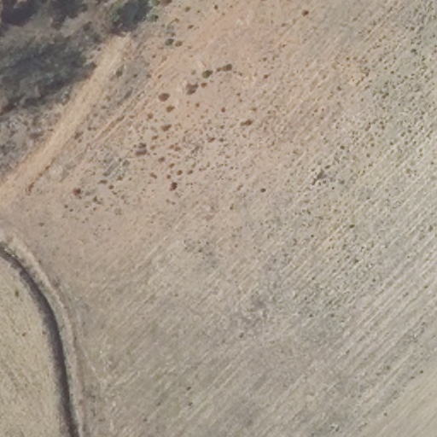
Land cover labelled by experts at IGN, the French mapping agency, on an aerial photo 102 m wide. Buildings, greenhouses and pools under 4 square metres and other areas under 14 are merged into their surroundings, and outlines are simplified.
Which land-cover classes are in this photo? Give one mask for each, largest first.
<instances>
[{"label":"agricultural land","instance_id":"1","mask_svg":"<svg viewBox=\"0 0 437 437\"><path fill-rule=\"evenodd\" d=\"M149 12L145 15V20L138 24L135 31L128 32L130 39L119 58L118 70L109 75L106 104H92L84 118H80L79 113H75L68 106L67 116L60 119L55 131L44 142L38 154L19 164V167L14 172H9L5 181L0 183V242L20 259H24L34 278L43 283L41 288L55 312L67 360L73 417L77 423L79 437H367L364 430L367 423L360 425L357 418L381 415V411L386 410L394 399L398 398L401 391H405V387L411 381L423 376V370L427 369L428 365L432 364L437 369V0H147ZM65 425V420L60 411V389L56 381L50 331L44 326L38 302L20 278L19 270H15L9 261L0 258V437H56L60 434V427Z\"/></svg>","mask_w":437,"mask_h":437},{"label":"coniferous trees","instance_id":"2","mask_svg":"<svg viewBox=\"0 0 437 437\"><path fill-rule=\"evenodd\" d=\"M149 12L147 0H0V90H5V97L9 99L3 106L7 113L50 104L48 96L67 85L84 82L96 70V63L85 61L87 51L101 50L102 43H108L113 36H123L128 32L135 31L138 24L145 20V15Z\"/></svg>","mask_w":437,"mask_h":437},{"label":"brushwood","instance_id":"3","mask_svg":"<svg viewBox=\"0 0 437 437\"><path fill-rule=\"evenodd\" d=\"M130 39L128 32L123 36H113L108 43H102L101 50L87 51L85 61L96 63V70L84 82L67 85L48 96L50 104L7 113L3 106L9 99L5 97V90H0V183L5 181L9 172H14L19 167V164L38 154L44 142L55 131L60 119L67 116L68 106L75 113H79L80 118H84L92 104H106L109 75L118 70L119 58ZM0 258L9 261L15 270H19L20 278L38 302L44 326L50 331L56 381L60 389V411L65 420V425L60 427V434L56 437H79L77 423L73 417L67 360L55 312L41 288L43 283L34 278L24 259H20L0 242Z\"/></svg>","mask_w":437,"mask_h":437},{"label":"vineyard","instance_id":"4","mask_svg":"<svg viewBox=\"0 0 437 437\"><path fill-rule=\"evenodd\" d=\"M360 425L367 423L364 430L367 437H437V369L432 364L428 365L427 369L423 370V376L411 381L405 387V391H401L398 398L394 399L386 410L381 411V415L357 418Z\"/></svg>","mask_w":437,"mask_h":437}]
</instances>
